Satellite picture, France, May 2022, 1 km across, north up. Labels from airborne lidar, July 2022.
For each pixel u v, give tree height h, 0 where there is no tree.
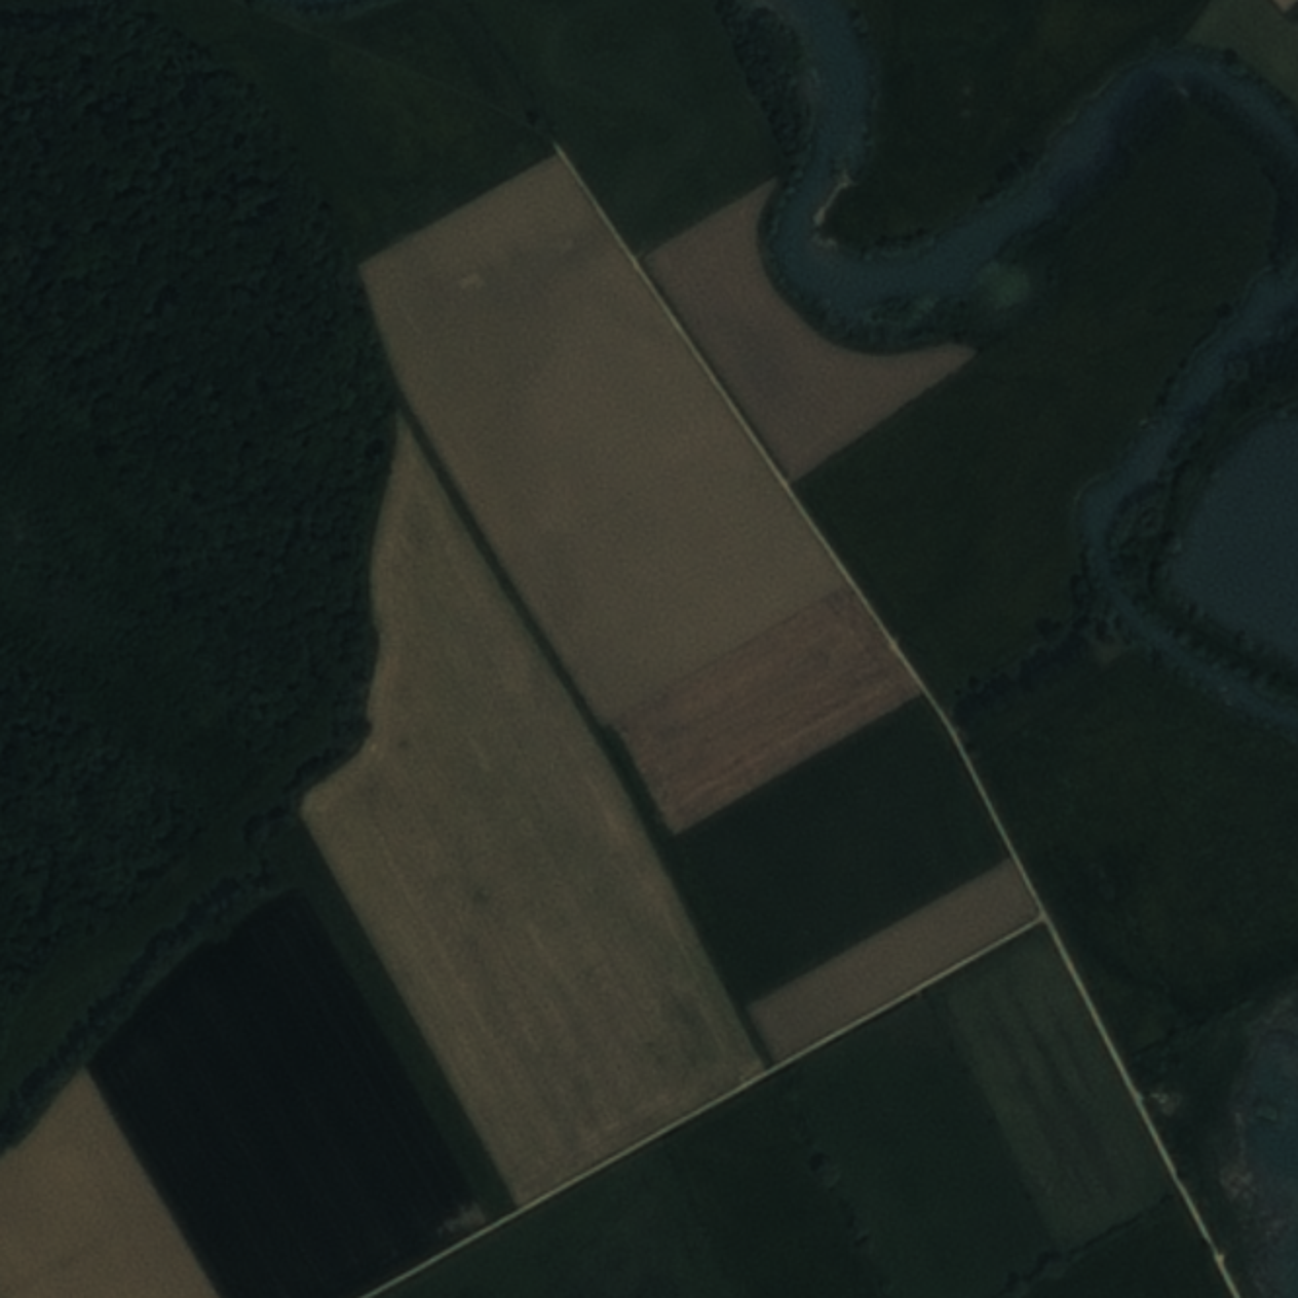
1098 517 0
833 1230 0
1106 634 16
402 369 0
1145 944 0
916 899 0
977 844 0
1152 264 0
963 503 0
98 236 26
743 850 0
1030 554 0
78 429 14
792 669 0
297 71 0
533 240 0
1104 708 0
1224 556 0
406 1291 0
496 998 0
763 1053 0
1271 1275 0
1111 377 0
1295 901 0
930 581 0
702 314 0
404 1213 0
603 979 0
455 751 0
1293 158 19
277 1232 0
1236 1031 0
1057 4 0
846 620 0
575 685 0
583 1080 0
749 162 0
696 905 0
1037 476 0
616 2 0
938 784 0
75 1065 16
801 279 0
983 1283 0
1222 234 0
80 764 23
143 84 26
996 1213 0
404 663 0
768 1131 0
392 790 0
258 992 0
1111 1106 0
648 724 0
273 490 20
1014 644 0
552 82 0
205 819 11
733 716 0
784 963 0
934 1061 0
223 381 24
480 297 0
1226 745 0
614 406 0
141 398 22
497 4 0
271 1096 0
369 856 0
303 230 18
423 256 0
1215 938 0
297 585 17
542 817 0
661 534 0
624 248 0
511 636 0
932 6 0
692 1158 0
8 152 27
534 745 0
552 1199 0
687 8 0
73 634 13
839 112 0
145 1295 0
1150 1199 0
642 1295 0
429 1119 0
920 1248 0
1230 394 0
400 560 0
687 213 0
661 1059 0
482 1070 0
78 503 12
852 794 0
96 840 26
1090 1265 0
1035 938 0
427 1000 0
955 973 0
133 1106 0
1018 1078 0
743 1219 0
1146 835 0
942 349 0
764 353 0
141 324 25
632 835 0
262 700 20
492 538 0
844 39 0
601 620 0
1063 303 0
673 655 0
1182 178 0
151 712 16
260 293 25
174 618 16
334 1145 0
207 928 30
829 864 0
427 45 0
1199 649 8
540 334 0
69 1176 0
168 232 25
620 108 0
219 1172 0
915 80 0
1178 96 30
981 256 0
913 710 0
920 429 0
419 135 0
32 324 26
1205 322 0
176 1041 0
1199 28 0
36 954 16
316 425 19
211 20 0
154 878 18
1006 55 0
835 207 0
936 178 0
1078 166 0
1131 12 0
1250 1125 0
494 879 0
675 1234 0
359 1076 0
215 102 23
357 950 0
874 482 0
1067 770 0
